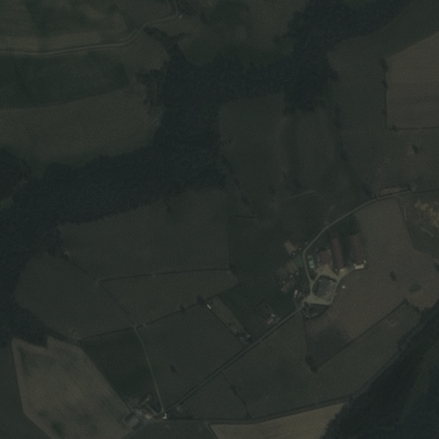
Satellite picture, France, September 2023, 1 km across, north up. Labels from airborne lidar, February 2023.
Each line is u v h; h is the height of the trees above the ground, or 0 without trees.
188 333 0
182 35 8
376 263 0
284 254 0
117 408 0
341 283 0
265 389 0
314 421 0
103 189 21
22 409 0
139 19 0
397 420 15
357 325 0
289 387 0
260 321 0
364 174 0
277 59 0
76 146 0
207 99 13
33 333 6
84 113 0
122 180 16
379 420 6
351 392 0
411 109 0
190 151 23
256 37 0
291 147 0
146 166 14
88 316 0
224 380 0
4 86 0
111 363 0
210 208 0
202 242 0
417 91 0
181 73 22
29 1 0
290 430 0
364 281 0
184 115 19
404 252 0
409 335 10
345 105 0
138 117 0
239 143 0
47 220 8
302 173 0
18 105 0
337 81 11
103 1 0
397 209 0
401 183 0
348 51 0
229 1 0
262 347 0
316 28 18
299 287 0
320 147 0
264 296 0
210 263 0
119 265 0
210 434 0
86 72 0
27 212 10
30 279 0
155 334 0
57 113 0
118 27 0
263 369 0
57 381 0
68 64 0
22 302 0
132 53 0
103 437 0
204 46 0
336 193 0
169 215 0
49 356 0
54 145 0
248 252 0
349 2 0
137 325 0
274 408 0
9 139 0
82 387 0
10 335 14
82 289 0
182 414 0
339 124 12
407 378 6
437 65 0
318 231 0
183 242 0
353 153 0
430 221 0
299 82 18
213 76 18
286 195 0
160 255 0
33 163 0
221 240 0
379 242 0
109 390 0
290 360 0
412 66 0
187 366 0
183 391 0
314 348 0
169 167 13
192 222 0
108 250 0
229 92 17
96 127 0
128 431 0
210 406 0
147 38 0
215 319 0
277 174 0
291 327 0
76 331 0
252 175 0
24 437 0
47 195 18
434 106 0
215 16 0
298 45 11
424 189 0
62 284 0
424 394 0
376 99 0
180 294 0
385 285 0
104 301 0
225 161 17
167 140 21
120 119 0
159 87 6
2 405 0
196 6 0
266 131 0
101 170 15
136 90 0
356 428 7
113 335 0
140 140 0
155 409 9
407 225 0
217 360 0
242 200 11
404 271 0
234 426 0
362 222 0
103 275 0
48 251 13
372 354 0
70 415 0
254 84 19
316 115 0
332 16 8
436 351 0
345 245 0
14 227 14
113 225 0
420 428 21
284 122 0
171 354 0
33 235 18
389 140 0
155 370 0
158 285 0
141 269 0
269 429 0
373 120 0
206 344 0
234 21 0
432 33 0
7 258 11
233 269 14
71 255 0
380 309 0
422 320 13
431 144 0
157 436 0
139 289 0
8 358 0
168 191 12
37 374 0
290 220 0
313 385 0
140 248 0
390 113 0
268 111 0
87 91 0
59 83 0
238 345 0
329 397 0
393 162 0
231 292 0
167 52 17
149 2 0
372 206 0
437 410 18
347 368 0
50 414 0
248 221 0
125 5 0
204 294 0
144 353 0
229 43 0
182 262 0
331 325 0
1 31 0
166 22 0
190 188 6
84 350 0
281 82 17
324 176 0
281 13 0
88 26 0
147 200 13
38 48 0
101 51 0
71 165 0
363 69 0
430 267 0
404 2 9
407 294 0
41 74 0
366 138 0
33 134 0
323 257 0
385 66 16
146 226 0
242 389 0
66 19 0
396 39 0
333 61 0
